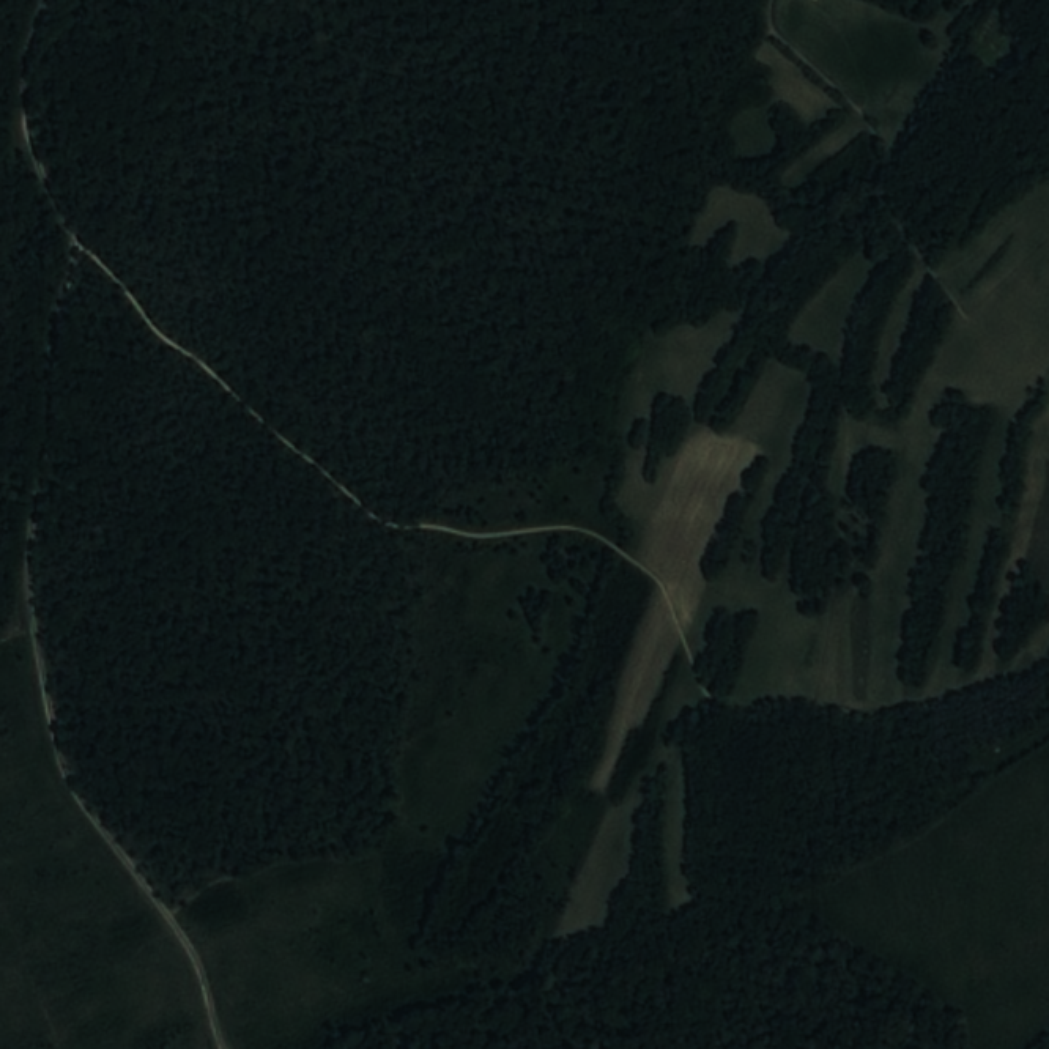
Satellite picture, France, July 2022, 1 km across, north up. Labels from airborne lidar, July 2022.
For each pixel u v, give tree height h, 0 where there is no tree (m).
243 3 21
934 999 16
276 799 19
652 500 0
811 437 15
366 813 21
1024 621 18
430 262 14
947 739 16
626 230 21
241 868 19
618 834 0
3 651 0
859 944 0
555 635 0
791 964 17
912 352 17
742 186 15
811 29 0
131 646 18
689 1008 20
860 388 18
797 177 0
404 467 15
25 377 25
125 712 20
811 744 17
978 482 6
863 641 0
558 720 12
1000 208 12
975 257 0
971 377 0
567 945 16
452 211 19
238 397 14
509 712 0
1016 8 13
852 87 0
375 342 13
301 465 15
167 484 14
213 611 17
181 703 18
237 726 19
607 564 20
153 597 18
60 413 24
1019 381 0
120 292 16
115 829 16
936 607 16
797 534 16
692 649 0
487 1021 25
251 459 15
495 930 17
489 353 16
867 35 0
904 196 22
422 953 20
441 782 0
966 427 16
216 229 16
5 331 22
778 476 0
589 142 18
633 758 6
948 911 0
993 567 16
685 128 19
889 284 17
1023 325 0
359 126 16
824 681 0
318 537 16
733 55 17
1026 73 25
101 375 18
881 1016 20
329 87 14
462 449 15
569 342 17
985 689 18
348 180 17
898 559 0
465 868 21
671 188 21
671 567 0
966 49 13
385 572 16
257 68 18
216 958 0
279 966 0
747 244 0
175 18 21
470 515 12
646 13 19
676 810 0
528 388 18
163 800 22
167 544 20
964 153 20
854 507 22
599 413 21
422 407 14
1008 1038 0
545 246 15
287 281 16
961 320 0
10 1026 0
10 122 18
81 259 16
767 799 20
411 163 17
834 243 20
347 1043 26
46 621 18
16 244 17
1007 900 0
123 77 14
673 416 13
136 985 0
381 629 16
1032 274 0
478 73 19
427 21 17
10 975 0
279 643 20
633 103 20
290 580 19
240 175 20
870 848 20
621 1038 20
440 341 16
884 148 16
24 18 20
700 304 17
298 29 17
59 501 18
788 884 20
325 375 16
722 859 20
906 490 0
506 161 16
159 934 0
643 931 15
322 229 17
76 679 18
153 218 14
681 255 16
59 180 18
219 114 14
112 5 23
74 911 0
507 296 16
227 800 17
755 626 12
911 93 0
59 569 13
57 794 0
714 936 24
